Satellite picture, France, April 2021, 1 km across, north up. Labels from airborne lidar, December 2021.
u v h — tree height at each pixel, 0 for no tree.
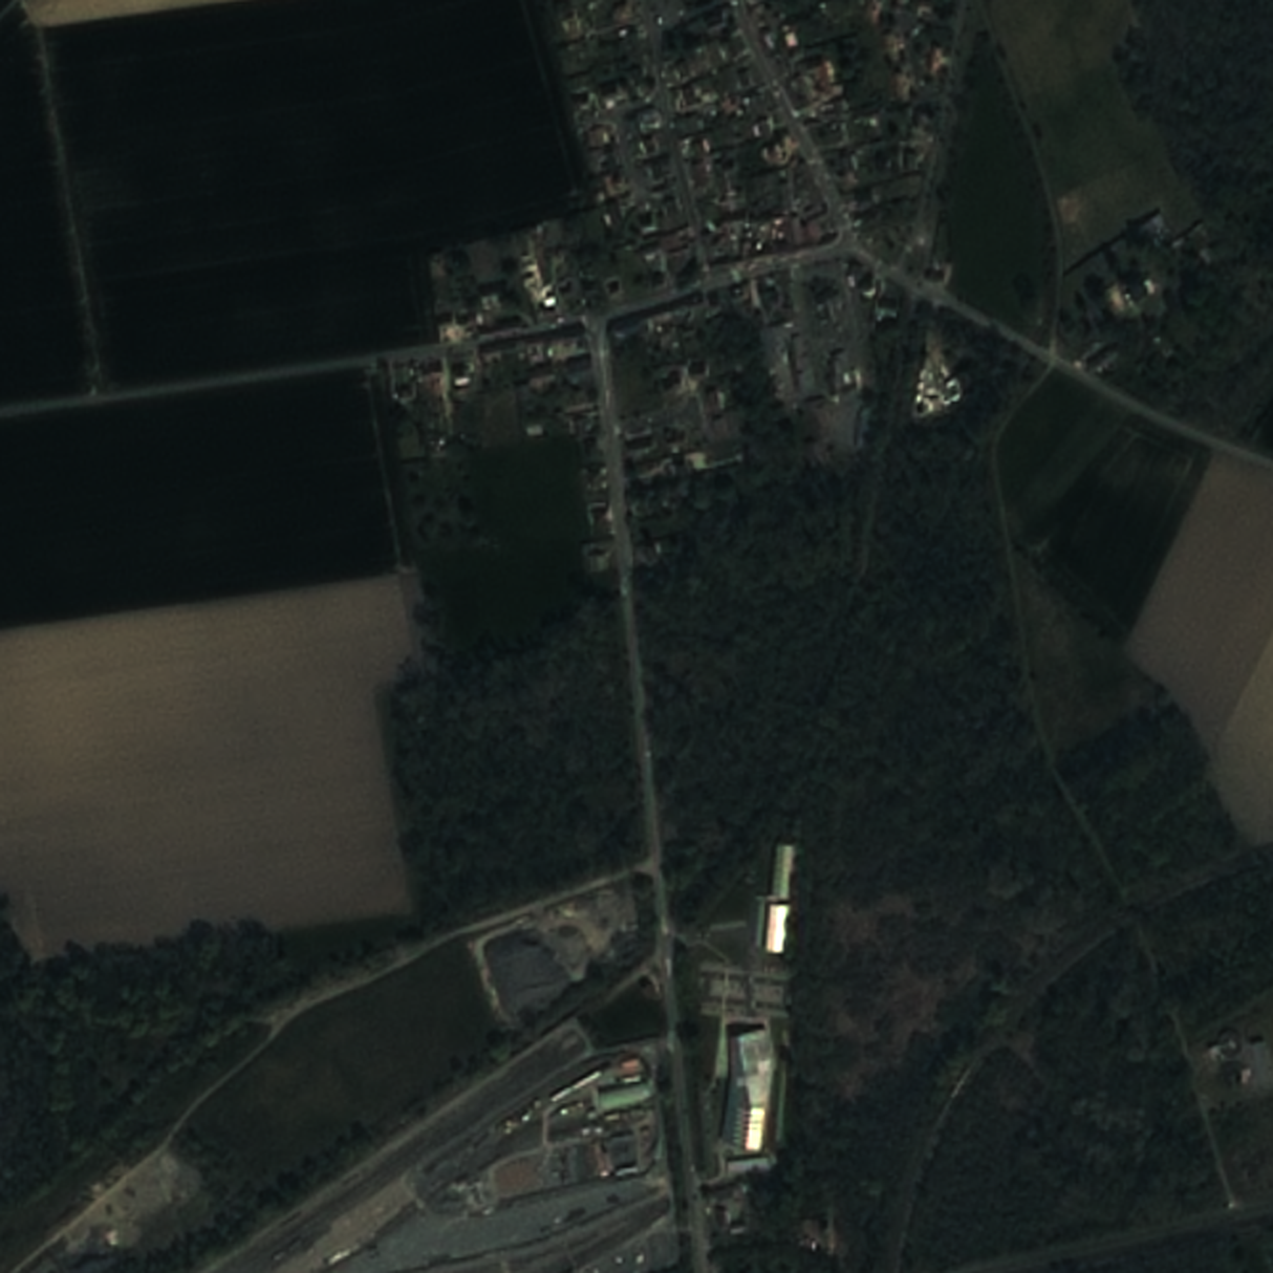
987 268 0
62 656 0
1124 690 0
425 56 0
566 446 0
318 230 0
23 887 0
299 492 0
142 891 0
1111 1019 20
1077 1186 28
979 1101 12
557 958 0
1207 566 0
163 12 0
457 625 0
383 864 0
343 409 0
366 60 0
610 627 21
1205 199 23
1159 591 0
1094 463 0
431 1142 0
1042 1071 15
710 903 6
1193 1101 22
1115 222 0
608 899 0
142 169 0
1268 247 22
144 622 0
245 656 0
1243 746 0
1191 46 24
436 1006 0
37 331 0
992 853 27
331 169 0
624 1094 0
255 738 0
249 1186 6
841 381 0
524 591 0
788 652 10
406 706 10
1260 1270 0
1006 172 0
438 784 8
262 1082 0
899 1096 10
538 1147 0
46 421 0
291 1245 0
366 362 0
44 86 0
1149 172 0
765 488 20
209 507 0
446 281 0
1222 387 7
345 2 0
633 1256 0
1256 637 0
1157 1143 23
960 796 24
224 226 0
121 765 0
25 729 0
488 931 0
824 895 13
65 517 0
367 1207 0
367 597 0
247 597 0
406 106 0
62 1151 16
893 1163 20
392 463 0
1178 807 22
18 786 0
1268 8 29
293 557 0
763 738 7
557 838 9
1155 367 8
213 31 0
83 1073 13
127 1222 0
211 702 0
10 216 0
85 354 0
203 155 0
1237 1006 18
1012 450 0
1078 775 28
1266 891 20
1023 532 0
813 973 12
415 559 0
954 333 23
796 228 0
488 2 0
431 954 0
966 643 19
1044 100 0
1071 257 0
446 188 0
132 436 0
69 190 0
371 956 12
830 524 36
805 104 0
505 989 0
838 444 0
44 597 0
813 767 16
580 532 0
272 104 0
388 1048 0
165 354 0
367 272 0
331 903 0
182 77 0
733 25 6
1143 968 20
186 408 0
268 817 0
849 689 16
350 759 0
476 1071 15
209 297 0
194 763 0
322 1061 0
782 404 12
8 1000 22
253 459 0
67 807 0
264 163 0
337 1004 0
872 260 0
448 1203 0
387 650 0
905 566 22
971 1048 18
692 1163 0
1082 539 0
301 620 0
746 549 37
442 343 0
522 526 0
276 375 0
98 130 0
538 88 0
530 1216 0
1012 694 25
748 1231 0
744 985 0
